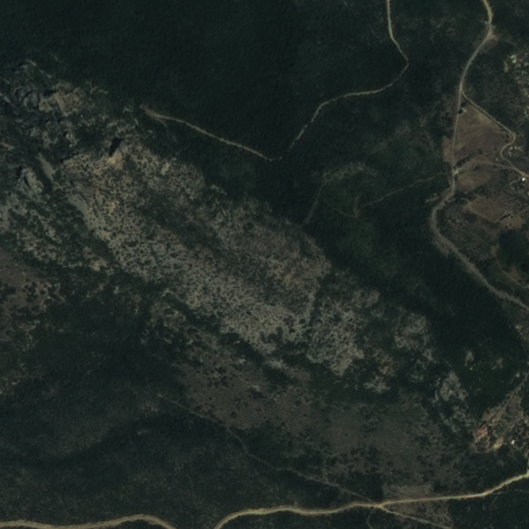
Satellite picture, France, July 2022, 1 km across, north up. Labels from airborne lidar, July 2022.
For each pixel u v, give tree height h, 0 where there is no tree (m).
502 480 6
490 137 0
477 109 0
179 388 5
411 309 7
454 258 6
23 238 0
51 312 5
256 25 8
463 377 6
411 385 6
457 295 6
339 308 0
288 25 12
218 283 0
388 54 9
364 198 5
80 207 0
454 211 0
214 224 0
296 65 10
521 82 0
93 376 6
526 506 7
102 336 5
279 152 12
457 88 0
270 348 0
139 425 8
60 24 6
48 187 6
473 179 0
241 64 10
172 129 8
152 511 6
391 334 0
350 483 6
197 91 6
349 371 0
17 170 6
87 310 5
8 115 7
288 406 0
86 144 6
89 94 7
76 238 6
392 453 0
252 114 9
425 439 5
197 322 6
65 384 9
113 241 0
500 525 6
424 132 0
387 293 8
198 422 9
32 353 6
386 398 8
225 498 6
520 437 8
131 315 7
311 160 6
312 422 0
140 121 8
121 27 8
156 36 9
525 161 0
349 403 0
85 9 7
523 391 6
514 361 8
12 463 6
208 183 8
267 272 0
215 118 6
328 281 6
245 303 0
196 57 8
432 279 8
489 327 7
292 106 7
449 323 6
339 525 6
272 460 6
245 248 0
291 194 7
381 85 7
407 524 6
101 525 0
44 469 6
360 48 7
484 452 9
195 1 6
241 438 8
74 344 6
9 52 6
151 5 11
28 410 6
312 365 7
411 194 7
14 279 0
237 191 8
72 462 6
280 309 0
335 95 6
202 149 5
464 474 6
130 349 8
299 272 0
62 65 5
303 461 7
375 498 6
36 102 0
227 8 5
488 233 0
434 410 7
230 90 6
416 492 0
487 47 0
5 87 7
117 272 6
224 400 0
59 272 5
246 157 8
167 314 7
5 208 0
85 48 8
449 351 8
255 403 0
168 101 8
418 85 6
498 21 8
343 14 5
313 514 0
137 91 6
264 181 8
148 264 8
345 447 0
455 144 0
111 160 0
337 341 0
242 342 6
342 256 6
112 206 0
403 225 7
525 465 7
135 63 6
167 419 7
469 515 6
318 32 7
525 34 9
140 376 7
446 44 5
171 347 7
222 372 6
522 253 7
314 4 6
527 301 6
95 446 6
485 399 6
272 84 13
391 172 6
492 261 8
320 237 6
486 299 7
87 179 0
